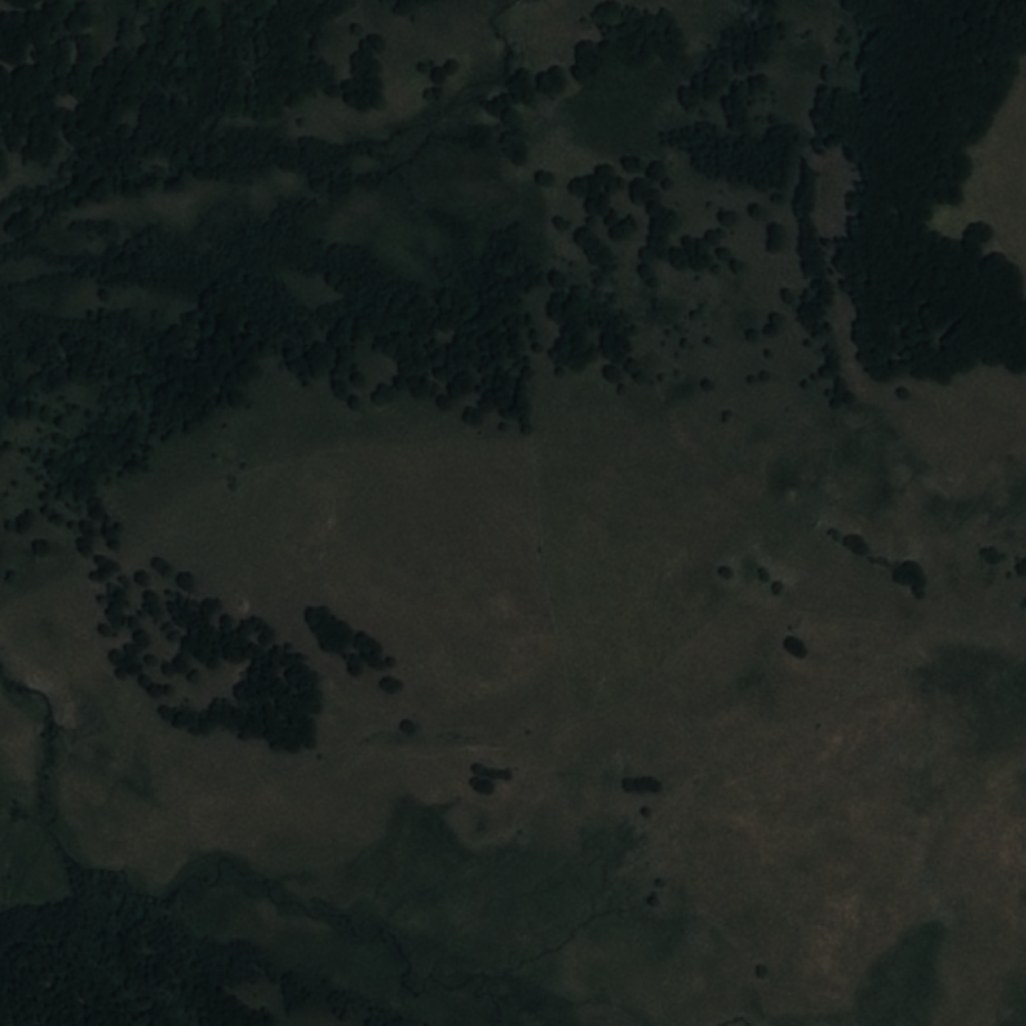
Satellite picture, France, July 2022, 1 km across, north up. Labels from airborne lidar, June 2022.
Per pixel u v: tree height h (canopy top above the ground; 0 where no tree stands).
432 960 0
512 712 0
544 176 13
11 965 14
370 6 0
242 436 0
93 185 12
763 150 11
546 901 0
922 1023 0
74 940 8
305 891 0
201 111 9
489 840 0
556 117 0
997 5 11
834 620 0
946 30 15
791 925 0
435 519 0
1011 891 0
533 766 0
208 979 15
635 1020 0
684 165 0
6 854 0
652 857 0
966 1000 0
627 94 0
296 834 0
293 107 13
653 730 0
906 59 17
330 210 0
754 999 0
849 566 0
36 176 0
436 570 0
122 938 14
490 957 0
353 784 0
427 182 0
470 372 7
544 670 0
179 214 0
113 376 13
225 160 8
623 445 0
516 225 7
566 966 0
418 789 0
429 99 10
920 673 0
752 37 8
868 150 15
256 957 11
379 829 0
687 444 0
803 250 12
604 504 0
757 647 0
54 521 10
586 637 0
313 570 0
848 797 0
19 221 15
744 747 0
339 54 0
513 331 12
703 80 9
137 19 0
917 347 14
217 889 0
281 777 0
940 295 18
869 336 14
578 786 0
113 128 7
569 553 0
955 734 0
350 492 0
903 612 0
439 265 5
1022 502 0
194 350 6
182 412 12
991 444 0
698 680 0
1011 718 0
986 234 14
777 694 0
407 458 0
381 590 0
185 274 7
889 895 0
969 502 0
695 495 0
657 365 0
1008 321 15
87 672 0
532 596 0
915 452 0
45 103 11
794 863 0
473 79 0
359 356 8
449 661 0
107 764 0
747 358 0
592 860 0
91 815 0
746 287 0
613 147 0
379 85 12
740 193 0
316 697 13
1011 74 14
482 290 7
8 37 16
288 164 10
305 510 0
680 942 0
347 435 0
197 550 0
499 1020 0
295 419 0
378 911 0
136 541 0
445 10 0
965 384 0
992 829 0
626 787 9
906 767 0
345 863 0
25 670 0
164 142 15
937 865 0
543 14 0
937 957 0
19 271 0
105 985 13
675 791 0
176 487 0
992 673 0
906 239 12
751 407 0
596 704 0
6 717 0
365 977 0
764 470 0
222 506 0
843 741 0
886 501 0
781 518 0
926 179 15
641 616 0
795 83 0
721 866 0
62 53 14
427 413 0
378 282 8
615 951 0
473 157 0
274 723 15
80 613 0
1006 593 0
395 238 0
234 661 12
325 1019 0
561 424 0
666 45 14
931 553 0
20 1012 12
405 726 9
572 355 12
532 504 0
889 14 17
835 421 0
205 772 0
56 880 0
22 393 8
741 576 0
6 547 0
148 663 12
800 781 0
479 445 0
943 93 16
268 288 9
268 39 12
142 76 13
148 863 0
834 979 0
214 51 13
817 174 15
